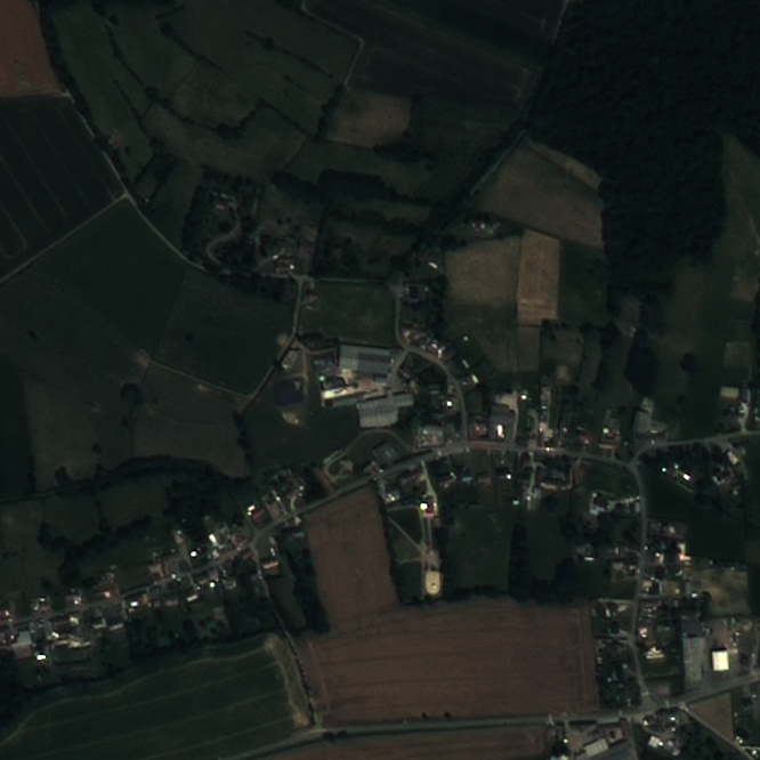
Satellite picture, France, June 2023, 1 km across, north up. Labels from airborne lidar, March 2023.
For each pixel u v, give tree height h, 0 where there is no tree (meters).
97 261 0
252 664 0
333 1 0
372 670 0
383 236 0
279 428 0
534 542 0
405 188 0
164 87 0
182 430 0
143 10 0
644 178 19
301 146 0
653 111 19
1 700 27
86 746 0
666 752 0
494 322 0
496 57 0
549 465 13
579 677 0
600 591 0
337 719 0
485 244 0
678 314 0
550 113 21
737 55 22
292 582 0
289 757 0
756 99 17
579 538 11
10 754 0
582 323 0
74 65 0
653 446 0
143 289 0
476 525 0
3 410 0
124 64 6
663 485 0
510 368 0
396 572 12
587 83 21
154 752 0
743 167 0
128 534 17
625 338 0
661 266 18
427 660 0
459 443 0
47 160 0
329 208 11
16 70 0
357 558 0
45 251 0
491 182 0
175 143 0
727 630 0
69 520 0
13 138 0
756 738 0
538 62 0
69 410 0
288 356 0
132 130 0
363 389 0
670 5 19
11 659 17
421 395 0
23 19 0
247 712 0
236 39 0
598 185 0
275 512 0
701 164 24
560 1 0
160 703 0
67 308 0
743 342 0
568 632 0
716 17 23
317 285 0
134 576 0
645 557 0
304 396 0
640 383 31
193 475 15
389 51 0
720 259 0
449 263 0
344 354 0
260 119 0
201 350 0
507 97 0
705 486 16
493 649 0
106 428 0
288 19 0
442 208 8
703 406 0
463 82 0
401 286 0
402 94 0
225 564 0
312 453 0
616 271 16
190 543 0
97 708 0
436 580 0
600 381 10
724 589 0
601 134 18
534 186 0
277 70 0
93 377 0
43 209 0
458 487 0
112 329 0
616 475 0
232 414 0
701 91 21
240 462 0
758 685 0
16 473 0
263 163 0
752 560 0
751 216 0
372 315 0
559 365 0
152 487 0
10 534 0
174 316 0
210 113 0
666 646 0
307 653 0
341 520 0
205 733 0
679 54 18
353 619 0
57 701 0
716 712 0
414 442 0
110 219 0
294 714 0
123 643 0
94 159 0
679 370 0
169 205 0
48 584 11
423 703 0
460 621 0
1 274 0
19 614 0
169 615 0
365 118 0
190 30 0
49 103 0
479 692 0
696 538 0
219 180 8
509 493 0
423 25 0
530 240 0
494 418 0
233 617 8
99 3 14
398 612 0
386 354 0
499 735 0
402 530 0
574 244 0
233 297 0
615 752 0
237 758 0
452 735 0
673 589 0
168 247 0
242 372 0
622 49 19
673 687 0
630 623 0
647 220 22
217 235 0
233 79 0
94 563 0
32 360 0
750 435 0
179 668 0
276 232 0
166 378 0
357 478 0
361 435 0
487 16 0
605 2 17
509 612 0
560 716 0
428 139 0
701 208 16
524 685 0
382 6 0
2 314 0
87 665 0
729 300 0
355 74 0
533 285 0
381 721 0
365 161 0
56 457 0
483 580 0
